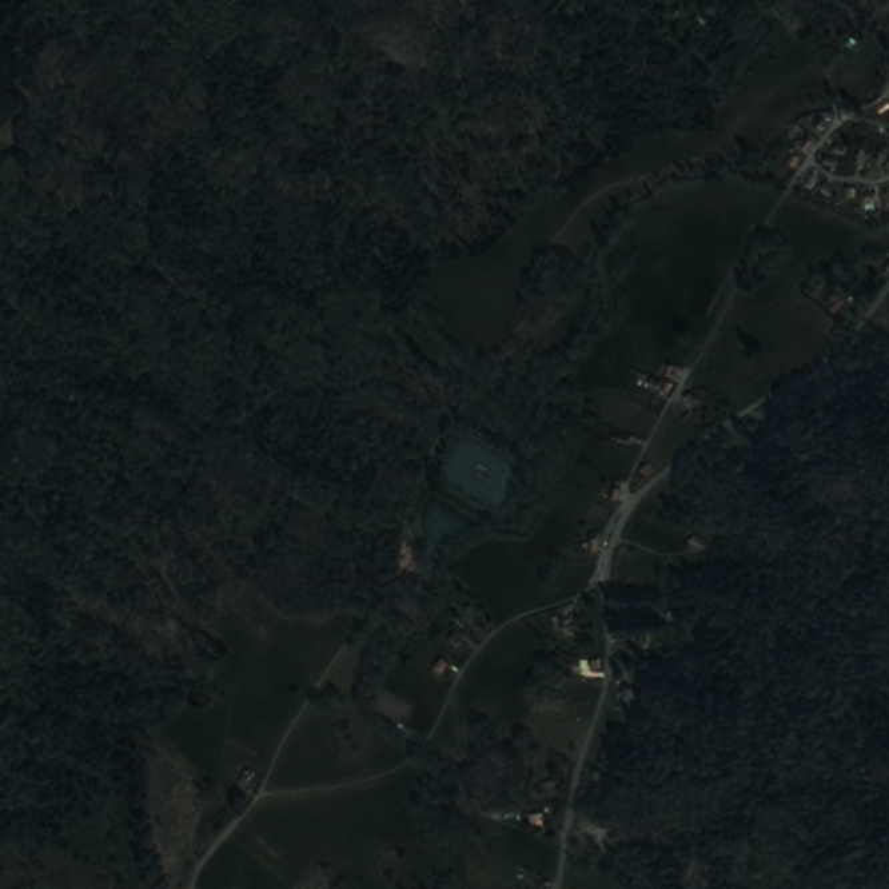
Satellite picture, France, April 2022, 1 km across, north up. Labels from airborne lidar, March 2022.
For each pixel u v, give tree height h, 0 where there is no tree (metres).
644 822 18
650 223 0
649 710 14
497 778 26
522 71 18
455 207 25
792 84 0
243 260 28
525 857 0
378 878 0
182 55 35
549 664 24
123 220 29
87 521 28
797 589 30
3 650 36
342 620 0
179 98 37
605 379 0
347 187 23
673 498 7
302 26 28
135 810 12
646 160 0
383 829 0
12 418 27
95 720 22
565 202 0
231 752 0
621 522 0
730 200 0
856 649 30
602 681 0
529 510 20
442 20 28
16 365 29
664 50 33
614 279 19
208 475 30
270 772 0
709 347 0
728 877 16
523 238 0
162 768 0
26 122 23
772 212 0
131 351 19
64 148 28
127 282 27
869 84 0
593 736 0
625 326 0
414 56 8
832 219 0
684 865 24
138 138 25
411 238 18
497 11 35
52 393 30
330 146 22
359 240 25
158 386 21
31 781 17
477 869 0
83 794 11
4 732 36
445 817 24
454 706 0
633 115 32
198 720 0
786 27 0
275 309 20
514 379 26
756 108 0
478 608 10
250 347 25
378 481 25
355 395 18
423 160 26
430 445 12
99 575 26
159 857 19
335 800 0
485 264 0
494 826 0
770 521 27
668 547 0
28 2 25
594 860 19
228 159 30
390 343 22
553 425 10
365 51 27
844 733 29
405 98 37
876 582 35
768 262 22
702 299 0
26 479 13
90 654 28
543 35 28
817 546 23
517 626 0
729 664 34
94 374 15
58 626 28
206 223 23
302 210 34
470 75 35
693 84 23
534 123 27
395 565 17
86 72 33
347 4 37
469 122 20
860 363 24
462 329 0
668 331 0
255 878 0
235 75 33
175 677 22
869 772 31
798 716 34
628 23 32
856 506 27
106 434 16
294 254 22
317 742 0
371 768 0
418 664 0
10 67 26
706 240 0
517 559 0
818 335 0
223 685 0
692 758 28
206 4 27
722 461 23
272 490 30
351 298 21
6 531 32
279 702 0
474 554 0
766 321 0
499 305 0
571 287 27
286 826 0
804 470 13
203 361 24
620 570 6
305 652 0
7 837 21
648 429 0
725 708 34
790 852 30
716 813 22
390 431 9
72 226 26
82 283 28
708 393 6
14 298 14
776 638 24
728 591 26
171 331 26
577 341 24
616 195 0
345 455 19
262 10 27
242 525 25
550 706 0
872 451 17
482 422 17
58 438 37
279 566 28
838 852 31
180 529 33
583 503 0
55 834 6
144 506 29
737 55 10
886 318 0
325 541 23
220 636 0
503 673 0
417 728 0
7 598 25
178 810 0
